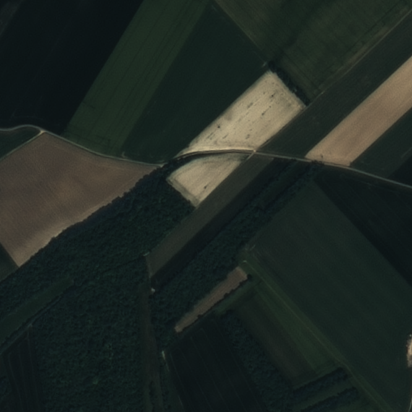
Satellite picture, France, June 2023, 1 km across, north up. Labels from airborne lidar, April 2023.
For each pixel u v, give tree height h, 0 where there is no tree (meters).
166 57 0
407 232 0
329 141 0
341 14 0
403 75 0
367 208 0
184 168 0
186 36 0
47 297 0
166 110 0
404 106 0
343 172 0
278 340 0
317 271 0
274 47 0
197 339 0
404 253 0
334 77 0
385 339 0
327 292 0
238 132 0
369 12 0
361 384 0
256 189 0
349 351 0
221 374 0
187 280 9
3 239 0
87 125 0
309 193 0
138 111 0
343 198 0
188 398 0
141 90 0
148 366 0
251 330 0
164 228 10
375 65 0
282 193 11
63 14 0
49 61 0
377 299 0
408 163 0
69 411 17
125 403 21
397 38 0
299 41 0
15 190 0
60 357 14
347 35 0
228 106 0
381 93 0
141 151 0
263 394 14
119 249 10
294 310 0
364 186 0
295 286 0
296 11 0
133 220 14
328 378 15
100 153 0
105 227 16
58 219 0
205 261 11
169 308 18
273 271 0
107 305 18
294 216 0
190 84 0
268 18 0
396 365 0
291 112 0
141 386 12
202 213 0
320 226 0
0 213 0
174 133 0
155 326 10
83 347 9
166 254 0
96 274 15
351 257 0
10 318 0
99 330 8
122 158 0
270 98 0
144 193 15
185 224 0
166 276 0
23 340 0
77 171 0
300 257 0
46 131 0
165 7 0
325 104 0
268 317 0
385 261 0
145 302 0
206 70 0
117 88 0
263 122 0
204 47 0
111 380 15
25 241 0
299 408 0
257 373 20
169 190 15
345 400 16
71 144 0
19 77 0
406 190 0
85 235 13
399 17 0
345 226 0
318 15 0
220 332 0
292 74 0
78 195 0
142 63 0
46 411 7
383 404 0
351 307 0
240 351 17
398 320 0
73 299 15
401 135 0
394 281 0
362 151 0
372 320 0
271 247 0
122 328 9
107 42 0
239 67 0
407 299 0
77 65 0
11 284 9
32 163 0
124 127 0
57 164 0
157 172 14
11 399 0
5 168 0
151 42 0
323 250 0
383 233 0
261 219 15
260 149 0
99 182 0
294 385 0
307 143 0
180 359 0
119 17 0
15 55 0
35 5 0
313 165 14
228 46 0
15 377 0
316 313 0
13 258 0
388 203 0
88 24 0
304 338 0
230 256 8
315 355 0
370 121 0
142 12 0
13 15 0
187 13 0
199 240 0
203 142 0
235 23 0
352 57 0
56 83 0
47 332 12
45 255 14
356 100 0
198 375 0
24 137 0
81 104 0
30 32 0
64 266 15
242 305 0
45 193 0
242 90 0
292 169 0
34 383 0
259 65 0
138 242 7
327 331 0
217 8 0
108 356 12
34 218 0
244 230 15
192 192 0
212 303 0
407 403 0
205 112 0
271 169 0
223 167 0
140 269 8
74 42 0
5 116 0
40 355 10
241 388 0
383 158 0
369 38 0
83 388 9
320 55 0
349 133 0
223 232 8
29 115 0
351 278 0
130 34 0
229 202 0
